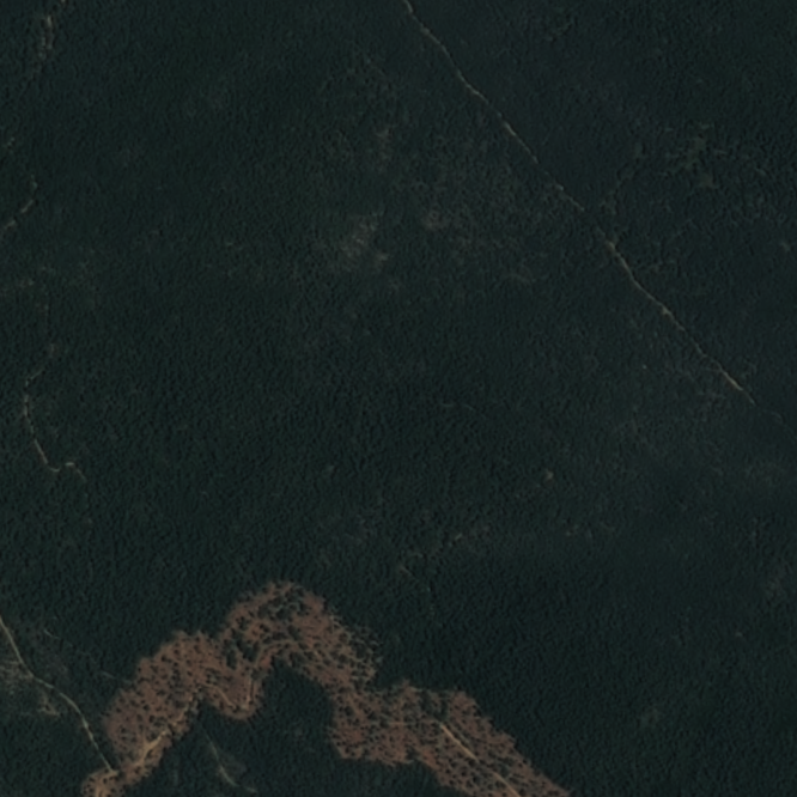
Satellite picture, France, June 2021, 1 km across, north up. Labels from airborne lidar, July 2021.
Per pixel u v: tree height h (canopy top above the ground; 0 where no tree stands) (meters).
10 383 12
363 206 8
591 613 15
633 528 8
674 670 11
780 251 10
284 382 11
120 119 10
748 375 7
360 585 9
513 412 12
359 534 11
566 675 11
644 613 11
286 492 11
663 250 11
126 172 10
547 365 11
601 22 12
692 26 14
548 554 7
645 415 10
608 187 11
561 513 10
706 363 11
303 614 10
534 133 12
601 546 8
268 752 13
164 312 9
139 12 10
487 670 16
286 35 13
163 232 13
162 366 15
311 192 10
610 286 13
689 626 11
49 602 9
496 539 10
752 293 10
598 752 9
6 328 11
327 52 11
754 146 6
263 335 14
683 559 8
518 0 11
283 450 11
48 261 8
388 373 11
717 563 9
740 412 8
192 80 9
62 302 8
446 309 7
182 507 10
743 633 7
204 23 9
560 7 9
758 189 9
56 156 12
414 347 13
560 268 9
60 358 8
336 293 9
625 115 12
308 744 11
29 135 8
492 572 10
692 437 8
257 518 9
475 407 11
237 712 9
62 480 13
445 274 8
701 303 13
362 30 11
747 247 9
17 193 8
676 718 8
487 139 8
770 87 9
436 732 9
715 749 13
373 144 9
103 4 8
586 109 14
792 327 13
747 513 10
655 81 11
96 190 14
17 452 8
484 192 10
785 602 11
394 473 15
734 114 9
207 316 13
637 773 9
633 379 8
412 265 5
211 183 10
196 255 13
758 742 10
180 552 10
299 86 11
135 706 6
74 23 11
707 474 8
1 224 9
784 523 10
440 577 14
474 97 9
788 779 13
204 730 6
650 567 10
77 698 6
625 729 13
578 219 9
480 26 9
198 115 7
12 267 9
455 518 15
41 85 10
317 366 10
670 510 13
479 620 15
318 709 12
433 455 17
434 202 6
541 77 13
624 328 9
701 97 12
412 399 13
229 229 12
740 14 11
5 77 10
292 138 10
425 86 10
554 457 12
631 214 8
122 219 12
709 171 10
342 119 6
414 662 15
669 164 10
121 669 10
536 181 11
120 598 10
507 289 13
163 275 10
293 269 14
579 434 11
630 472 6
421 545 16
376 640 14
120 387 13
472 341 10
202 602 11
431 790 14
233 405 14
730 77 13
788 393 13
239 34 9
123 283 10
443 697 12
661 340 7
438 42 6
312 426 10
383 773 9
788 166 15
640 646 12
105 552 10
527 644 16
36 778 8
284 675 9
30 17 9
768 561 9
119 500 9
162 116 11
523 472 10
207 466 14
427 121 9
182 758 7
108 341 10
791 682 10
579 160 10
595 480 9
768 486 6
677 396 9
